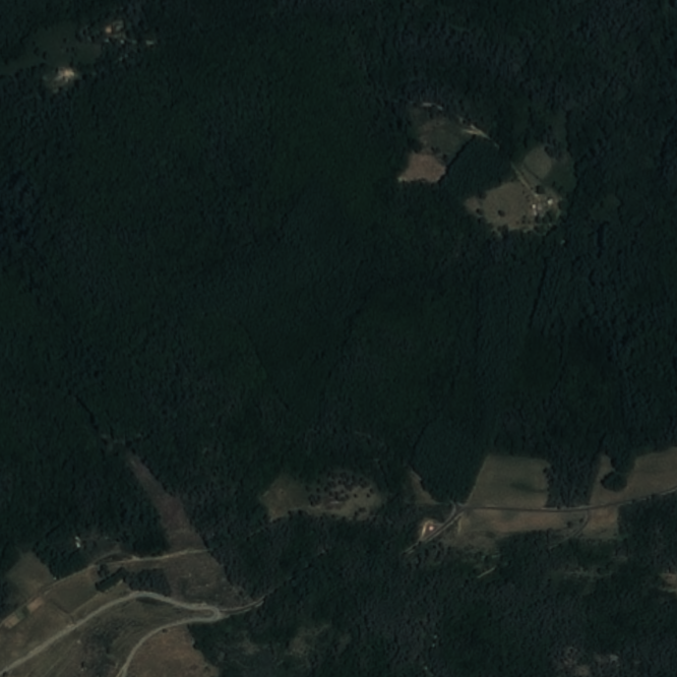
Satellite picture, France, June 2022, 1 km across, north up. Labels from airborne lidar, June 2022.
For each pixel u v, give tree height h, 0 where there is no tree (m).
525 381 11
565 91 26
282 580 18
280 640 10
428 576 11
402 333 18
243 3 14
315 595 26
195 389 8
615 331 25
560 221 9
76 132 17
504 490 0
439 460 23
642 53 20
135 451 16
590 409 23
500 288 20
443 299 22
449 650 17
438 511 0
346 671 18
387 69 21
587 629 17
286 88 12
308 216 18
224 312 14
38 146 12
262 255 14
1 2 35
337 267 19
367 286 16
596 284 33
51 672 0
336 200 18
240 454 13
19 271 13
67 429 21
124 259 17
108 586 18
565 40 21
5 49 13
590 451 11
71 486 11
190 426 12
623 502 0
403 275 12
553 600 23
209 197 21
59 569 14
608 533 0
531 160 0
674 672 15
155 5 16
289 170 14
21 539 6
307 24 17
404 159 19
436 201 9
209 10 16
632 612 10
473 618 17
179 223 18
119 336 19
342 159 18
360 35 17
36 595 0
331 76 17
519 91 12
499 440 10
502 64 10
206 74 13
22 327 21
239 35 15
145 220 16
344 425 17
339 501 10
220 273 14
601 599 12
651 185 25
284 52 13
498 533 0
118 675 0
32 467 17
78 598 0
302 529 14
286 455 14
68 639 0
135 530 8
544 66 25
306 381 20
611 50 22
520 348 25
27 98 17
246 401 18
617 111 24
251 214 13
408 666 7
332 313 18
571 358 15
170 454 9
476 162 18
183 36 11
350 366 24
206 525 15
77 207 13
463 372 18
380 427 16
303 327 16
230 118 15
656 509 6
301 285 16
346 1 17
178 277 19
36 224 15
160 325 18
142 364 17
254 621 10
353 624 10
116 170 20
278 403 15
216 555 18
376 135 19
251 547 10
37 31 9
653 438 12
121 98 16
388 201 15
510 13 14
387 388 17
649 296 15
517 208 0
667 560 9
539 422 9
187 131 22
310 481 9
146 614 0
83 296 13
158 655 0
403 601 18
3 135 18
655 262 18
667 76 18
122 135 21
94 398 15
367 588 16
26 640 0
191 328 12
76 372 18
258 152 15
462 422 22
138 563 0
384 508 10
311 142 16
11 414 16
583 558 8
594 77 17
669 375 9
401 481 9
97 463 20
